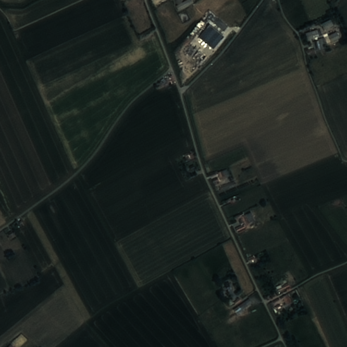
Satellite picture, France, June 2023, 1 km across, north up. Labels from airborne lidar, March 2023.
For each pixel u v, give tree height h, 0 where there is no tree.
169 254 0
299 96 0
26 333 0
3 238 0
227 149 0
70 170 0
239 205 0
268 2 0
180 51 0
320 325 0
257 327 0
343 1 0
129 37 0
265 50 0
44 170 0
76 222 0
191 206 0
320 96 0
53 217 0
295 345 24
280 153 0
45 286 0
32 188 0
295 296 12
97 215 0
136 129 0
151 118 0
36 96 0
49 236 0
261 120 0
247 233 0
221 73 0
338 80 0
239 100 0
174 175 0
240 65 0
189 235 0
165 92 0
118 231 0
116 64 0
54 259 0
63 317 0
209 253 0
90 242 0
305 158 0
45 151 0
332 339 0
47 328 0
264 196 0
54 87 0
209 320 0
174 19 0
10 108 0
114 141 0
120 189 0
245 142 0
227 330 0
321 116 0
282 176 0
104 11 0
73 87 0
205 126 0
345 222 0
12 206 0
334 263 0
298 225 0
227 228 0
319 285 0
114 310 0
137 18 0
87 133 0
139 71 0
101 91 0
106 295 0
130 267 0
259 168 0
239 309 0
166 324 0
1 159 0
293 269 0
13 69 0
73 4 0
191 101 0
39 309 0
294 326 0
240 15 0
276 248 0
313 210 0
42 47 0
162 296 0
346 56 0
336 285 0
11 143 0
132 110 0
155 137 0
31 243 0
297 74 0
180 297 0
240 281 0
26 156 0
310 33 0
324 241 0
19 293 0
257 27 0
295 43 0
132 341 0
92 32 0
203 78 0
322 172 0
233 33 0
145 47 0
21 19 0
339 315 0
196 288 0
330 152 0
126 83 0
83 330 0
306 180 0
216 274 0
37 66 0
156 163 0
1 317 0
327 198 0
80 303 0
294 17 0
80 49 0
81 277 0
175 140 0
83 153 0
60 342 0
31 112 0
